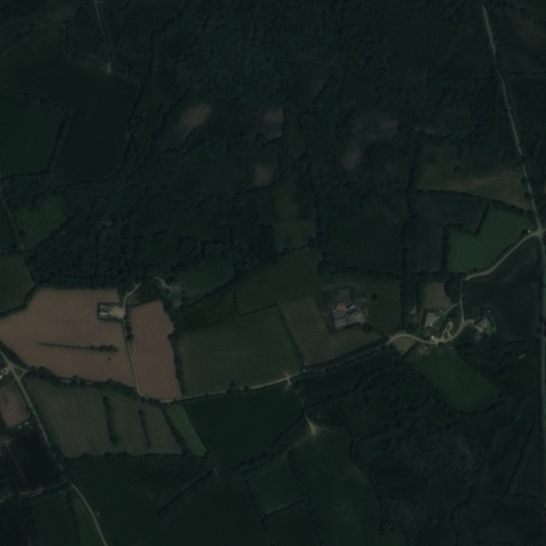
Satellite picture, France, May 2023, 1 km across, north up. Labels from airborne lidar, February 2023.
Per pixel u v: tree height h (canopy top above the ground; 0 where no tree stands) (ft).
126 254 63
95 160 0
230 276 0
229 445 0
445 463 41
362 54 55
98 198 21
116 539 0
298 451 0
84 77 0
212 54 40
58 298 0
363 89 0
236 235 57
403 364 25
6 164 0
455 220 0
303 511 0
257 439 0
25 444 0
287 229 0
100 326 0
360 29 56
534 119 0
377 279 45
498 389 0
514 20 0
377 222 0
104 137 0
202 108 0
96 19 25
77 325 0
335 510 0
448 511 0
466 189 0
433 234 0
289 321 0
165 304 39
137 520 0
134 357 0
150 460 47
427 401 26
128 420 0
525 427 0
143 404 25
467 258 0
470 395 0
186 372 0
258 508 33
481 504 0
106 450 0
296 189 0
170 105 0
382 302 0
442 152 0
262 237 68
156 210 0
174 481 0
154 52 33
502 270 0
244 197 53
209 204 31
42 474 0
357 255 0
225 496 0
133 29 0
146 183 56
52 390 0
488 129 28
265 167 0
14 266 0
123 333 0
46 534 0
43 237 0
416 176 50
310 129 61
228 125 0
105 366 0
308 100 0
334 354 0
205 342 0
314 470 0
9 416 0
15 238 28
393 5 85
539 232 0
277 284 0
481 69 0
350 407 0
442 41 82
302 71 0
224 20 29
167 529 0
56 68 0
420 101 0
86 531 0
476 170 0
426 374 0
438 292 0
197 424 0
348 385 0
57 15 0
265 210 0
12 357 45
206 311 0
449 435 22
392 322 0
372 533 0
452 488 0
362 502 0
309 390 0
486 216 23
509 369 47
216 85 35
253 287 0
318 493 0
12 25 0
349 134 52
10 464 0
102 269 30
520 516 0
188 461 39
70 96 0
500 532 0
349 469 0
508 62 0
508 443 0
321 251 39
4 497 0
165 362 0
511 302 0
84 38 32
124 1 0
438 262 0
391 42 92
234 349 0
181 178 0
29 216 0
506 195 0
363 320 0
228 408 0
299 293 0
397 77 64
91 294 0
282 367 0
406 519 26
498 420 0
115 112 0
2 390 0
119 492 0
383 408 0
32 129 0
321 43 38
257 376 0
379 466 0
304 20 56
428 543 0
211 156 39
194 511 0
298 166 47
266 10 54
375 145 0
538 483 0
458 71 0
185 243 62
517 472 30
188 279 0
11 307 0
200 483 35
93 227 25
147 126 0
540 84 0
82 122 0
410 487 0
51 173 28
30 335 0
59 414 0
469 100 31
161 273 24
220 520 0
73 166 0
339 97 0
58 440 0
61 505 0
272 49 50
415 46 86
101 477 0
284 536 0
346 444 0
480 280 0
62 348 0
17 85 0
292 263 0
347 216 0
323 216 48
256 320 0
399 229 0
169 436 0
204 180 0
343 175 0
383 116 0
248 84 48
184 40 0
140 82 27
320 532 27
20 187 44
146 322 0
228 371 0
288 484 0
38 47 0
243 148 33
